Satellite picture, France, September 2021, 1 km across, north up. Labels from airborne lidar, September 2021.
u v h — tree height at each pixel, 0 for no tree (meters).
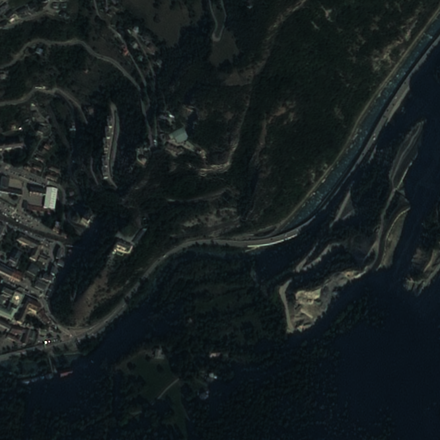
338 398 10
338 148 12
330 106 10
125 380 22
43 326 10
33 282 6
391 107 0
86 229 0
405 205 0
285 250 8
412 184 0
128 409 25
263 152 7
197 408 25
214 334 8
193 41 11
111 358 13
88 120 13
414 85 0
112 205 18
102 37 8
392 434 18
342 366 17
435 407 14
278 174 7
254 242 0
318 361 10
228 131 7
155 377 0
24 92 9
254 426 28
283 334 14
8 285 7
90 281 6
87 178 9
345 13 15
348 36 7
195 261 22
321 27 8
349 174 0
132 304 8
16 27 9
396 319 17
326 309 0
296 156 9
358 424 10
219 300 0
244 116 8
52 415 19
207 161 7
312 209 0
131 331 12
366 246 0
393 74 0
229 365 8
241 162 13
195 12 6
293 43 14
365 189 11
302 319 0
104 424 14
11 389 21
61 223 8
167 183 20
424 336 18
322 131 12
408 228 0
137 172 15
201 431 23
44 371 14
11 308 0
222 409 27
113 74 8
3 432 26
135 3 0
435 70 8
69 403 23
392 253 0
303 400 11
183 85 10
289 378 25
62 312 10
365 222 9
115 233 10
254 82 11
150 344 18
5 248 7
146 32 11
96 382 19
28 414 8
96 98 16
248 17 16
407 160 0
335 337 8
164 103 8
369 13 9
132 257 16
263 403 22
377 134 0
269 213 11
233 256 0
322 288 0
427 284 0
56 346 0
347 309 17
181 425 0
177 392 0
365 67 9
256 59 7
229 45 0
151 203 17
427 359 13
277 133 11
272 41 9
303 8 10
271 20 7
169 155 6
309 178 8
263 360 9
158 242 11
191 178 14
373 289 14
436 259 0
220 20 0
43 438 28
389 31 9
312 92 16
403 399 11
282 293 0
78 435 18
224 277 8
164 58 8
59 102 10
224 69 13
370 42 11
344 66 12
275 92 17
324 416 11
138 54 11
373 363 16
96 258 20
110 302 16
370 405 13
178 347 21
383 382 13
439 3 7
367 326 15
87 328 0
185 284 9
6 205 0
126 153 10
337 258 11
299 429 16
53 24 10
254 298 8
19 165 15
